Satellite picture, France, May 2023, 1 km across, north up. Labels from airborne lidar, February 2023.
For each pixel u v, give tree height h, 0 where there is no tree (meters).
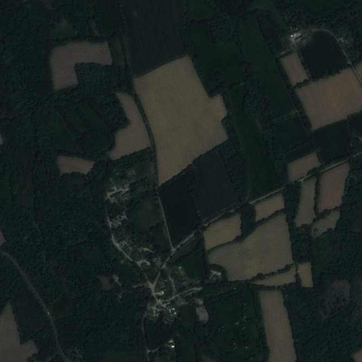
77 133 15
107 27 0
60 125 0
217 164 0
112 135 8
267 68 0
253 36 0
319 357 8
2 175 11
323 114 0
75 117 0
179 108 0
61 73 0
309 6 0
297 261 13
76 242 8
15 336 0
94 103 12
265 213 0
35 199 11
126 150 0
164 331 10
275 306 0
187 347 0
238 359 0
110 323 13
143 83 0
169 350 15
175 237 0
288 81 9
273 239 0
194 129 0
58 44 7
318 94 0
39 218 24
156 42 0
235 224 0
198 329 13
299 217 0
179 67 0
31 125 7
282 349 0
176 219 0
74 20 12
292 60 0
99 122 0
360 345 8
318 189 12
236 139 15
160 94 0
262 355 15
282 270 9
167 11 0
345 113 0
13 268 6
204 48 0
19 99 7
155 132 0
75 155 8
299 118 0
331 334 10
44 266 8
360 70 0
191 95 0
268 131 10
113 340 17
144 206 0
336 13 16
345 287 0
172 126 0
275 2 19
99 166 16
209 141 0
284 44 0
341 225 17
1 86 0
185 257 11
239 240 17
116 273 10
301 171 0
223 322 0
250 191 0
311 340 17
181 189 0
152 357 12
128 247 6
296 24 12
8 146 22
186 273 0
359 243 9
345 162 0
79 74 12
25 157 0
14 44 17
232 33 11
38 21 14
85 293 18
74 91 16
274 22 9
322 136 0
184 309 0
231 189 0
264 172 0
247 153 0
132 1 0
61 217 9
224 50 0
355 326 8
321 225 0
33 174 14
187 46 17
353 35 11
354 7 23
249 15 11
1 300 9
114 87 7
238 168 19
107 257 11
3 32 10
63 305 0
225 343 0
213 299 14
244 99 18
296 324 8
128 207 13
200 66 14
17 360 0
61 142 0
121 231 8
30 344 0
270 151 11
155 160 6
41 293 10
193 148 0
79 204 15
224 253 0
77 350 20
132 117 0
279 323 0
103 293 12
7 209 30
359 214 0
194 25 14
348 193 11
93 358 19
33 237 35
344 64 0
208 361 0
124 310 13
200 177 0
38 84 15
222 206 0
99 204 11
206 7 0
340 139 0
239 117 0
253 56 0
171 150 0
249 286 13
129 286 18
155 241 15
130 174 0
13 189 9
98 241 16
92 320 9
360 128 0
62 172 0
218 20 11
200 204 0
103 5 0
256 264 0
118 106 19
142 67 0
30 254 10
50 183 24
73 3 12
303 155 0
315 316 19
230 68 0
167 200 0
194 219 0
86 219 6
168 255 9
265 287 9
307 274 0
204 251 7
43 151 10
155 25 0
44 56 13
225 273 15
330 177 0
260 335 13
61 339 9
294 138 0
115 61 8
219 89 21
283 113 0
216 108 0
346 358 17
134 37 0
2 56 20
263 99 9
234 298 11
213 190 0
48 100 20
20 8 17
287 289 8
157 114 0
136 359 0
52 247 15
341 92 0
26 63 17
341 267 15
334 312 13
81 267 15
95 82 24
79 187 10
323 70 0
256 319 7
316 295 9
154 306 0
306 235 10
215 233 0
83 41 11
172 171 0
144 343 12
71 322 6
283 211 10
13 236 33
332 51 0
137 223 0
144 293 7
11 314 0
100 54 0
